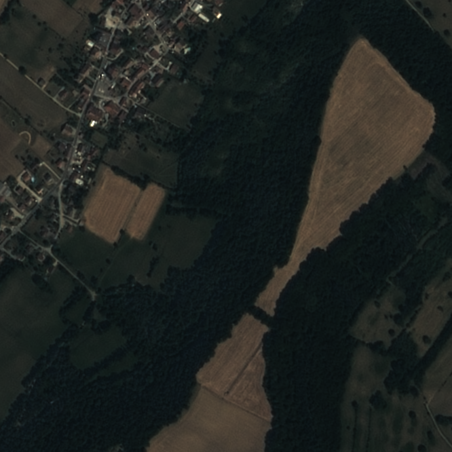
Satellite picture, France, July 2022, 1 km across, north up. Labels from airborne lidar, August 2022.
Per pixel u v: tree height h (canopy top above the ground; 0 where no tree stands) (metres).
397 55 16
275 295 0
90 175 11
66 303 6
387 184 12
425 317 0
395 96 0
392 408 0
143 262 0
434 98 18
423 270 12
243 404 0
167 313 19
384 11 11
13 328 0
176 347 19
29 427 21
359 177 0
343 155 0
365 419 0
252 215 21
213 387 0
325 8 13
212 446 0
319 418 14
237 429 0
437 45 19
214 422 0
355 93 0
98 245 0
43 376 20
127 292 9
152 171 0
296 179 17
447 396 0
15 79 0
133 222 0
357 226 20
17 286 0
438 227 7
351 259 9
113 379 18
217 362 0
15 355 0
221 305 17
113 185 0
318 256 21
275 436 20
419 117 0
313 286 17
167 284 13
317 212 0
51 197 6
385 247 17
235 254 22
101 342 0
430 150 23
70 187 0
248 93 7
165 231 0
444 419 15
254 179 16
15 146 0
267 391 8
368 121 0
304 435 24
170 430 0
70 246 0
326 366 23
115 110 0
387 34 9
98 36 0
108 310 8
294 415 26
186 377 29
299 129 12
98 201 0
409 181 14
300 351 19
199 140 14
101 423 22
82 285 6
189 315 21
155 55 0
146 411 17
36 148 0
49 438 20
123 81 0
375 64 0
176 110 0
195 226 0
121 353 22
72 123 7
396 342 16
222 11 0
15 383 0
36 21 0
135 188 0
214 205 25
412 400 0
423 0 0
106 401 20
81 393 19
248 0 0
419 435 0
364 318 0
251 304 18
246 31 18
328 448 16
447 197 0
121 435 15
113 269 0
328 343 24
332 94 0
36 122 0
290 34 11
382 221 21
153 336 13
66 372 16
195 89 0
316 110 13
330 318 24
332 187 0
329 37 15
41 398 20
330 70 14
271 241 18
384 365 0
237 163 13
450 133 22
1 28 0
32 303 0
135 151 0
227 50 14
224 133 6
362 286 21
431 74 21
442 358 0
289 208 7
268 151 10
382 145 0
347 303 22
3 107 0
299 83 9
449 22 0
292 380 25
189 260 0
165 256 0
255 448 0
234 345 0
